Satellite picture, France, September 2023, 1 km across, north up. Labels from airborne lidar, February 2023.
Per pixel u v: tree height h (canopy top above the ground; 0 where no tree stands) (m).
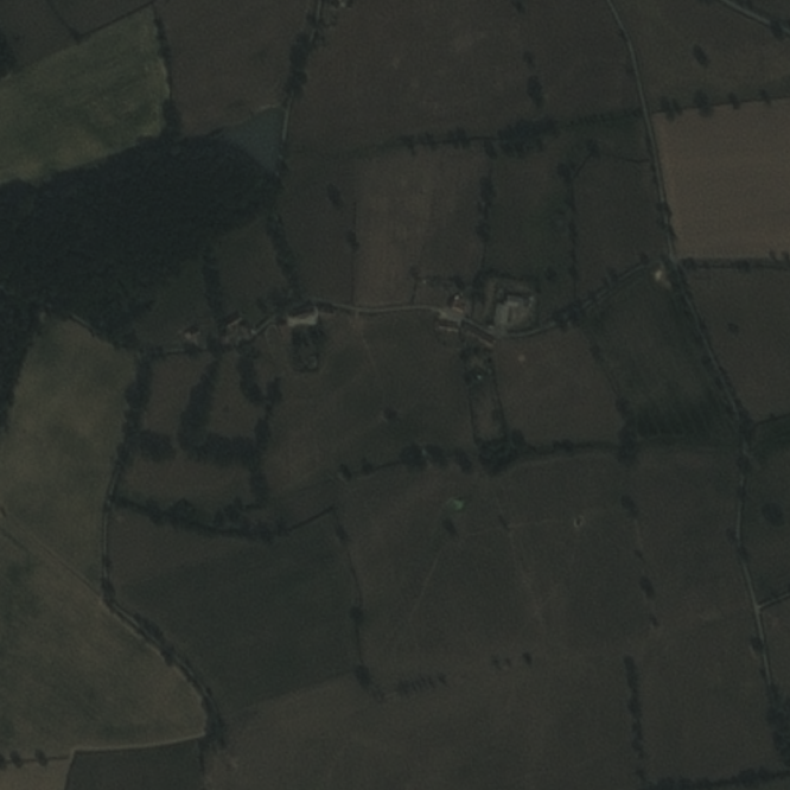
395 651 0
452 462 0
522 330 0
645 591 16
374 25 0
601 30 0
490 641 0
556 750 0
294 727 0
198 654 0
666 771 0
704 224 0
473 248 0
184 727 0
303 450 0
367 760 0
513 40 0
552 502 0
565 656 0
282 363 0
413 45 0
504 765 0
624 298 0
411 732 0
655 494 0
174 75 0
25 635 0
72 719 0
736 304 0
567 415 0
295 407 0
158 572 0
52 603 0
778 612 0
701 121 0
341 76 0
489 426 0
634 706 12
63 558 0
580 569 0
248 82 0
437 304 0
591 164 0
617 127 0
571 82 0
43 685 0
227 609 0
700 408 0
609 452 0
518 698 0
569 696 0
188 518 7
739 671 0
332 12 0
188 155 22
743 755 0
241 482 0
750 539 0
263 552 0
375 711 0
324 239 0
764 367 0
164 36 11
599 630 0
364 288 0
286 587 0
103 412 0
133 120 0
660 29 0
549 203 0
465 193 0
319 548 0
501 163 0
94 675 0
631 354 0
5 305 19
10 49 18
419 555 0
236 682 0
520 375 0
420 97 0
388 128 0
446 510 0
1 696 0
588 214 0
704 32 0
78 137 0
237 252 0
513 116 0
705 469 0
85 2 0
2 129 0
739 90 0
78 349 0
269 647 0
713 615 0
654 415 0
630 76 15
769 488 0
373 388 0
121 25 0
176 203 24
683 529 0
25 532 0
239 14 0
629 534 0
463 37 0
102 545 0
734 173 0
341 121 0
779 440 0
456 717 0
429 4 0
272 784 0
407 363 0
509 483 0
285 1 0
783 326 0
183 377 0
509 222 0
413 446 0
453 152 0
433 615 0
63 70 0
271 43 0
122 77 0
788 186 0
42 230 27
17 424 0
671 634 0
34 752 0
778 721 20
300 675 0
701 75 0
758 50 0
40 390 0
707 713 0
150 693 0
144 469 0
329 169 0
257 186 24
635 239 0
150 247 25
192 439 22
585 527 0
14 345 20
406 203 0
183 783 0
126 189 23
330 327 0
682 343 0
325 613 0
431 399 0
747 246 0
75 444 0
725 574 0
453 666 0
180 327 0
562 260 0
